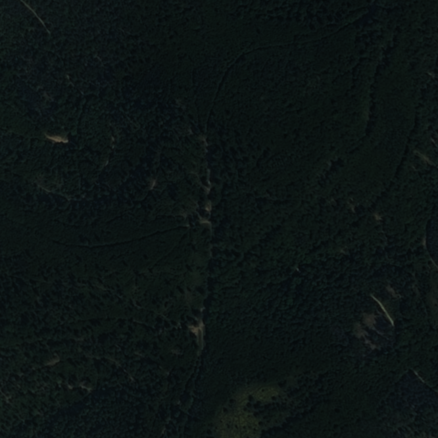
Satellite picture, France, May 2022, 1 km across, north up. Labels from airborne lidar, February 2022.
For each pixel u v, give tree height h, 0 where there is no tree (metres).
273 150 12
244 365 20
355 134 24
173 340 35
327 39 14
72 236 18
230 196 19
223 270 36
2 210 17
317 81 10
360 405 20
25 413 40
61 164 13
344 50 12
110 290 36
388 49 30
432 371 22
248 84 8
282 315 36
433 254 23
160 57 15
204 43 14
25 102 30
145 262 12
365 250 30
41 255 14
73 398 15
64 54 30
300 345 28
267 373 17
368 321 0
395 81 22
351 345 23
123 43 14
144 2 22
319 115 19
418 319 28
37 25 8
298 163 24
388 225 27
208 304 27
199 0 17
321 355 20
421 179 31
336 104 20
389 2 26
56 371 8
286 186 28
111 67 17
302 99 11
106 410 36
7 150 9
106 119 23
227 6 18
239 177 12
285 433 21
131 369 27
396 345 23
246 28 16
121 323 34
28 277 10
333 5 19
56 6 26
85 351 34
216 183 37
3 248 9
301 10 29
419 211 37
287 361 25
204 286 7
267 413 16
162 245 13
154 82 15
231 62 10
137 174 10
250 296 32
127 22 26
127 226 20
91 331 37
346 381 25
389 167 21
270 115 9
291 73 9
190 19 11
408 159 30
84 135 32
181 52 14
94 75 12
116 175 18
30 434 21
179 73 13
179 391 14
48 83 9
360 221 29
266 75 13
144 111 39
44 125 20
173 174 39
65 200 14
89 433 33
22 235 15
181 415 32
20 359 32
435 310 0
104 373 35
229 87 10
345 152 25
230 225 27
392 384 29
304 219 31
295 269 0
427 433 32
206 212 20
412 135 27
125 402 33
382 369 31
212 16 16
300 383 8
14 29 20
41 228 20
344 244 29
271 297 30
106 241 16
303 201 33
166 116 36
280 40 15
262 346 28
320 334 26
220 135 36
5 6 14
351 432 19
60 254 13
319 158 27
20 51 12
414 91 25
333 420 20
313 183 32
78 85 15
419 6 24
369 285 26
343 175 29
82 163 15
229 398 14
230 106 12
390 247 31
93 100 29
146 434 7
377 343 30
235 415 0
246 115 10
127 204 26
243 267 32
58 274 31
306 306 31
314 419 20
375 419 20
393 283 29
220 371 17
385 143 22
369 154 22
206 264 0
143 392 35
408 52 21
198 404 22
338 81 14
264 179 25
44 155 10
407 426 28
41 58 29
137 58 19
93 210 22
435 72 35
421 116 33
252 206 25
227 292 32
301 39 15
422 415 29
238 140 16
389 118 23
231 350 26
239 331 26
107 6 21
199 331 0
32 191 11
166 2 21
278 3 32
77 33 29
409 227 26
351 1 16
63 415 34
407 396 38
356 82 27
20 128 21
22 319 35
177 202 36
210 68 16
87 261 12
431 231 22
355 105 24
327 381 20
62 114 28
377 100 19
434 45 28
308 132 20
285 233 35
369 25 33
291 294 36
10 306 27
